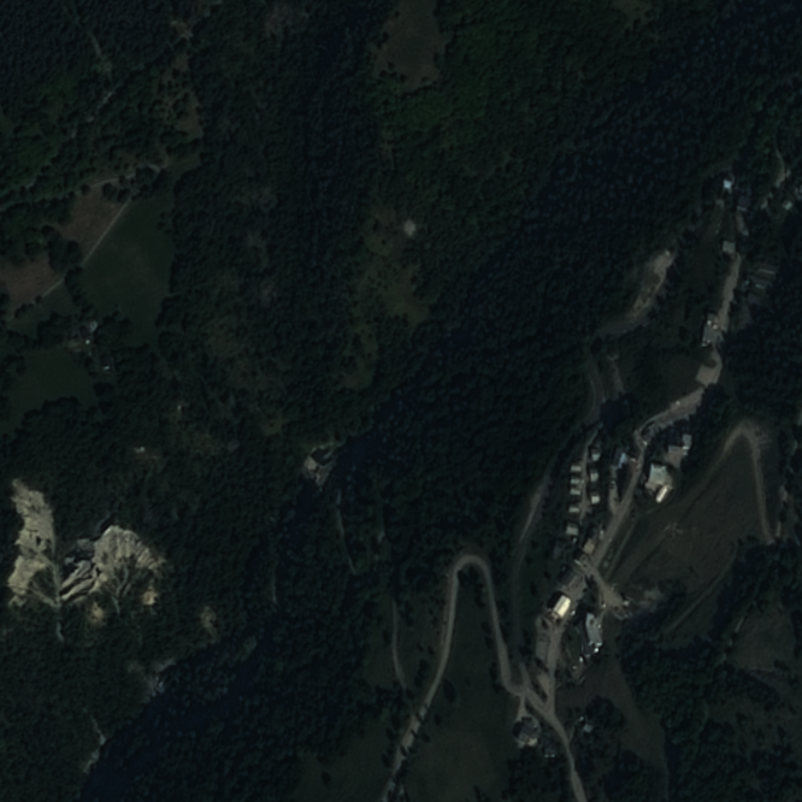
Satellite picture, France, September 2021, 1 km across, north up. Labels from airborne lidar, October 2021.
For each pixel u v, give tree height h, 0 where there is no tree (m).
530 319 15
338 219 26
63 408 15
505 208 22
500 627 0
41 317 0
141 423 20
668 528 0
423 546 18
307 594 19
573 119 24
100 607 7
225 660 25
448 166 16
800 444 20
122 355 15
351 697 23
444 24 13
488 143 18
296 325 22
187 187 18
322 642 18
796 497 12
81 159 12
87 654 16
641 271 0
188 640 20
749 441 0
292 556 20
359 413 18
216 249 21
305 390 21
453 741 0
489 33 13
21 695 22
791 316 16
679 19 16
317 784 0
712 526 0
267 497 24
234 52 15
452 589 0
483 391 20
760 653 0
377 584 20
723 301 0
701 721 18
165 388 12
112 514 8
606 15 19
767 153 13
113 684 22
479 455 26
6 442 9
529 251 27
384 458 16
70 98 12
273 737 25
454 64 20
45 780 31
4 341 12
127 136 7
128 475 15
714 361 0
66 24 26
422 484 19
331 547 12
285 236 17
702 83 18
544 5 21
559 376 23
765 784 8
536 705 0
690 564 0
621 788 20
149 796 22
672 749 7
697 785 16
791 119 13
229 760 30
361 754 0
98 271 0
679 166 20
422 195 9
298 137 25
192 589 24
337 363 21
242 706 28
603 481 12
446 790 0
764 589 19
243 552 21
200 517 14
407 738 0
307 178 16
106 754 13
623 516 0
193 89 7
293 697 25
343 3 17
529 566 8
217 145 24
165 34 24
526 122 12
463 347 18
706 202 17
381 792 0
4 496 8
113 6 27
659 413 0
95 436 20
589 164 23
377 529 21
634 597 0
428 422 29
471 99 17
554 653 0
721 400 14
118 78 13
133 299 0
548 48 16
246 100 23
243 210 16
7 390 20
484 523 20
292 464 23
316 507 26
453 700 17
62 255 16
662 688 22
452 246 24
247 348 9
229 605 27
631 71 16
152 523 28
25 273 0
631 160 26
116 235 0
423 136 16
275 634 29
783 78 27
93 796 14
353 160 30
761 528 0
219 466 14
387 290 12
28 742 23
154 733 26
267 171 20
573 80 11
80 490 16
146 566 0
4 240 13
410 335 15
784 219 0
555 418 20
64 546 8
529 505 0
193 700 25
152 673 9
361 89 18
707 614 0
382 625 12
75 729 20
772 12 13
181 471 20
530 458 28
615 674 0
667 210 24
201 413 12
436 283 22
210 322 15
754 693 14
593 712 9
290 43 21
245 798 26
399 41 0
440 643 0
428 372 27
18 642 11
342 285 14
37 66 23
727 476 0
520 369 24
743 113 26
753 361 22
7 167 11
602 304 16
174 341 15
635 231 34
